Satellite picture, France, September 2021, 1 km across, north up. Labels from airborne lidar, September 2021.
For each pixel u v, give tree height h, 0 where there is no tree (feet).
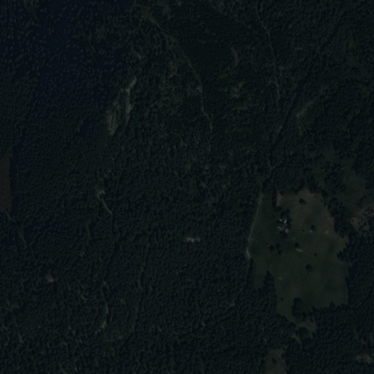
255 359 71
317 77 91
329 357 79
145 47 52
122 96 42
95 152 52
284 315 0
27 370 69
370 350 72
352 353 89
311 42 69
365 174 67
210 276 95
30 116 101
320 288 0
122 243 96
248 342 91
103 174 103
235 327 79
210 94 57
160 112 38
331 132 64
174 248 85
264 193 34
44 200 73
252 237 0
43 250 80
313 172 25
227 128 46
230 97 83
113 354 38
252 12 60
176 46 29
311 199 0
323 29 78
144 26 29
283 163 73
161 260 56
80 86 84
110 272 104
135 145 92
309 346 63
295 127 74
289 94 94
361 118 43
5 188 0
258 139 52
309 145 33
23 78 100
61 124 84
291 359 68
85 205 88
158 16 31
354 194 0
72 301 73
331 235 0
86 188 92
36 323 34
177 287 93
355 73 49
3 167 0
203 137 37
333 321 71
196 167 36
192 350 52
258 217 0
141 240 90
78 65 55
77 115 72
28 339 62
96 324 69
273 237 0
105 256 88
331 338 56
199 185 96
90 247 39
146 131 42
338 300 0
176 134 26
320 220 0
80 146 80
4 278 25
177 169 88
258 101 46
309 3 99
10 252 55
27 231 0
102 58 26
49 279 0
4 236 24
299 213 0
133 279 86
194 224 80
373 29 74
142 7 29
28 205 54
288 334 77
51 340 45
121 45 77
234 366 72
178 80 42
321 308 0
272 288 87
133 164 75
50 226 53
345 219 59
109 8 32
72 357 72
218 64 39
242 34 43
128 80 38
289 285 0
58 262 71
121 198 99
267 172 61
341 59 67
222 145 72
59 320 25
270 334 79
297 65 47
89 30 27
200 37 31
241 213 38
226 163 42
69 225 78
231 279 98
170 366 37
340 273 0
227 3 82
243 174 111
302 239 0
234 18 38
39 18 0
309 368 93
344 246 0
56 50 111
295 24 65
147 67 45
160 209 98
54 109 78
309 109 23
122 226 108
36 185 49
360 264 84
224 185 81
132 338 75
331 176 51
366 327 75
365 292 50
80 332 81
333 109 91
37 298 70
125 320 62
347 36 86
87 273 77
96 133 79
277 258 0
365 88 49
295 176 91
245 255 35
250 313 103
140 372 75
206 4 29
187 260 65
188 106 25
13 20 78
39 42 99
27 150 77
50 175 74
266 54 48
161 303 87
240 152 41
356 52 25
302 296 0
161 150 78
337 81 94
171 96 31
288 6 80
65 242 80
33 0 102
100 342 48
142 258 48
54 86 81
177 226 96
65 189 89
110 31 96
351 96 79
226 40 41
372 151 68
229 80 60
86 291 24
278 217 0
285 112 77
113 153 68
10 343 46
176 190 106
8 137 63
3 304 72
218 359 64
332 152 0
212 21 39
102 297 63
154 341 61
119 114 35
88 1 28
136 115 82
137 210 81
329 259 0
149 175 103
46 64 66
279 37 66
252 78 52
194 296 104
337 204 32
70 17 73
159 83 94
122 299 73
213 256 87
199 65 30
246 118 28
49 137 78
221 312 73
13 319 74
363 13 71
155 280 29
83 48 54
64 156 75
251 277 68
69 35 33
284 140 92
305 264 0
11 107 66
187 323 82
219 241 65
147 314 58
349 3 45
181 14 49
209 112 40
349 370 91
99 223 93
